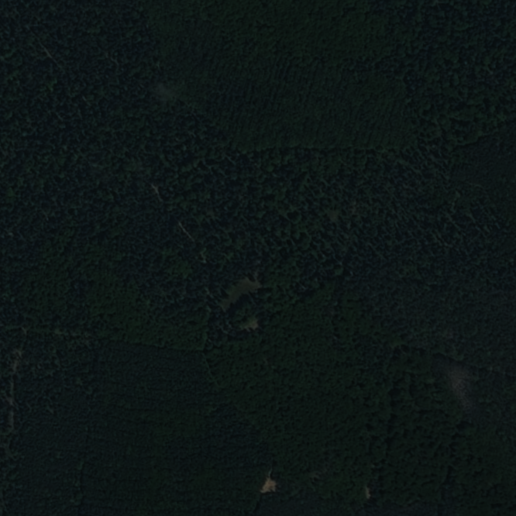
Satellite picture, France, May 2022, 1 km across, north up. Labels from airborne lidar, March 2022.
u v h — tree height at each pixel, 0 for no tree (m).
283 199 26
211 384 21
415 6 24
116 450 17
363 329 28
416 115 12
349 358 26
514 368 24
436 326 31
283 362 21
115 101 27
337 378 22
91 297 22
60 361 12
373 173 25
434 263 28
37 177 29
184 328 23
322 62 26
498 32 21
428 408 25
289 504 20
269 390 20
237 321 29
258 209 25
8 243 21
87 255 24
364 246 28
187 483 14
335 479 21
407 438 27
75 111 29
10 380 11
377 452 26
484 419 24
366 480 11
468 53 23
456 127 25
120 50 29
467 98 23
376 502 24
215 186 27
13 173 25
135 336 18
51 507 10
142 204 23
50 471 10
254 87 17
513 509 31
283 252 11
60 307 21
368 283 31
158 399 19
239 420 11
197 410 15
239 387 22
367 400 28
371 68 20
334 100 15
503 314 26
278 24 21
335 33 25
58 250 17
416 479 29
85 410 14
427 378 25
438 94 11
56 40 29
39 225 25
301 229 26
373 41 26
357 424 24
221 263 22
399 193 29
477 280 25
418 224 28
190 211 18
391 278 19
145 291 22
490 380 21
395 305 30
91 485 17
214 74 18
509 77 28
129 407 14
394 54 33
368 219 8
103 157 27
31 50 24
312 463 15
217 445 19
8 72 33
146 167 27
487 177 14
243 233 28
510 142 17
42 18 28
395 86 16
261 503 21
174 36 15
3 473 15
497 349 27
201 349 9
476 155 12
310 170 18
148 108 27
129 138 26
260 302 24
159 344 18
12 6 34
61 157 14
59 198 28
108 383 16
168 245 19
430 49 26
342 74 19
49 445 7
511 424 21
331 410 20
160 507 13
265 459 15
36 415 11
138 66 27
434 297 28
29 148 29
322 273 28
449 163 7
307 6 22
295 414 20
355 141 14
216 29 16
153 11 17
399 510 25
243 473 18
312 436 16
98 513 25
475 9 21
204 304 14
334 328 23
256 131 15
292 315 23
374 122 18
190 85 16
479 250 29
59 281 21
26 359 14
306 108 15
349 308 24
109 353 16
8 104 28
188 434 15
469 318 25
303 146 15
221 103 14
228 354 19
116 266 23
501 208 15
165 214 24
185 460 15
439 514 24
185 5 15
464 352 24
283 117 16
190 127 26
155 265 26
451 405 29
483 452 30
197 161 11
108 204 23
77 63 26
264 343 19
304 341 24
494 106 10
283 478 17
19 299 21
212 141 23
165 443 16
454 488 25
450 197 7
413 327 30
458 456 21
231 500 15
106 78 31
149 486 14
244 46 24
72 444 10
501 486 38
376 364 16
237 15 22
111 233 22
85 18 30
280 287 25
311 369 22
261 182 28
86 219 23
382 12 27
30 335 7
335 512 22
